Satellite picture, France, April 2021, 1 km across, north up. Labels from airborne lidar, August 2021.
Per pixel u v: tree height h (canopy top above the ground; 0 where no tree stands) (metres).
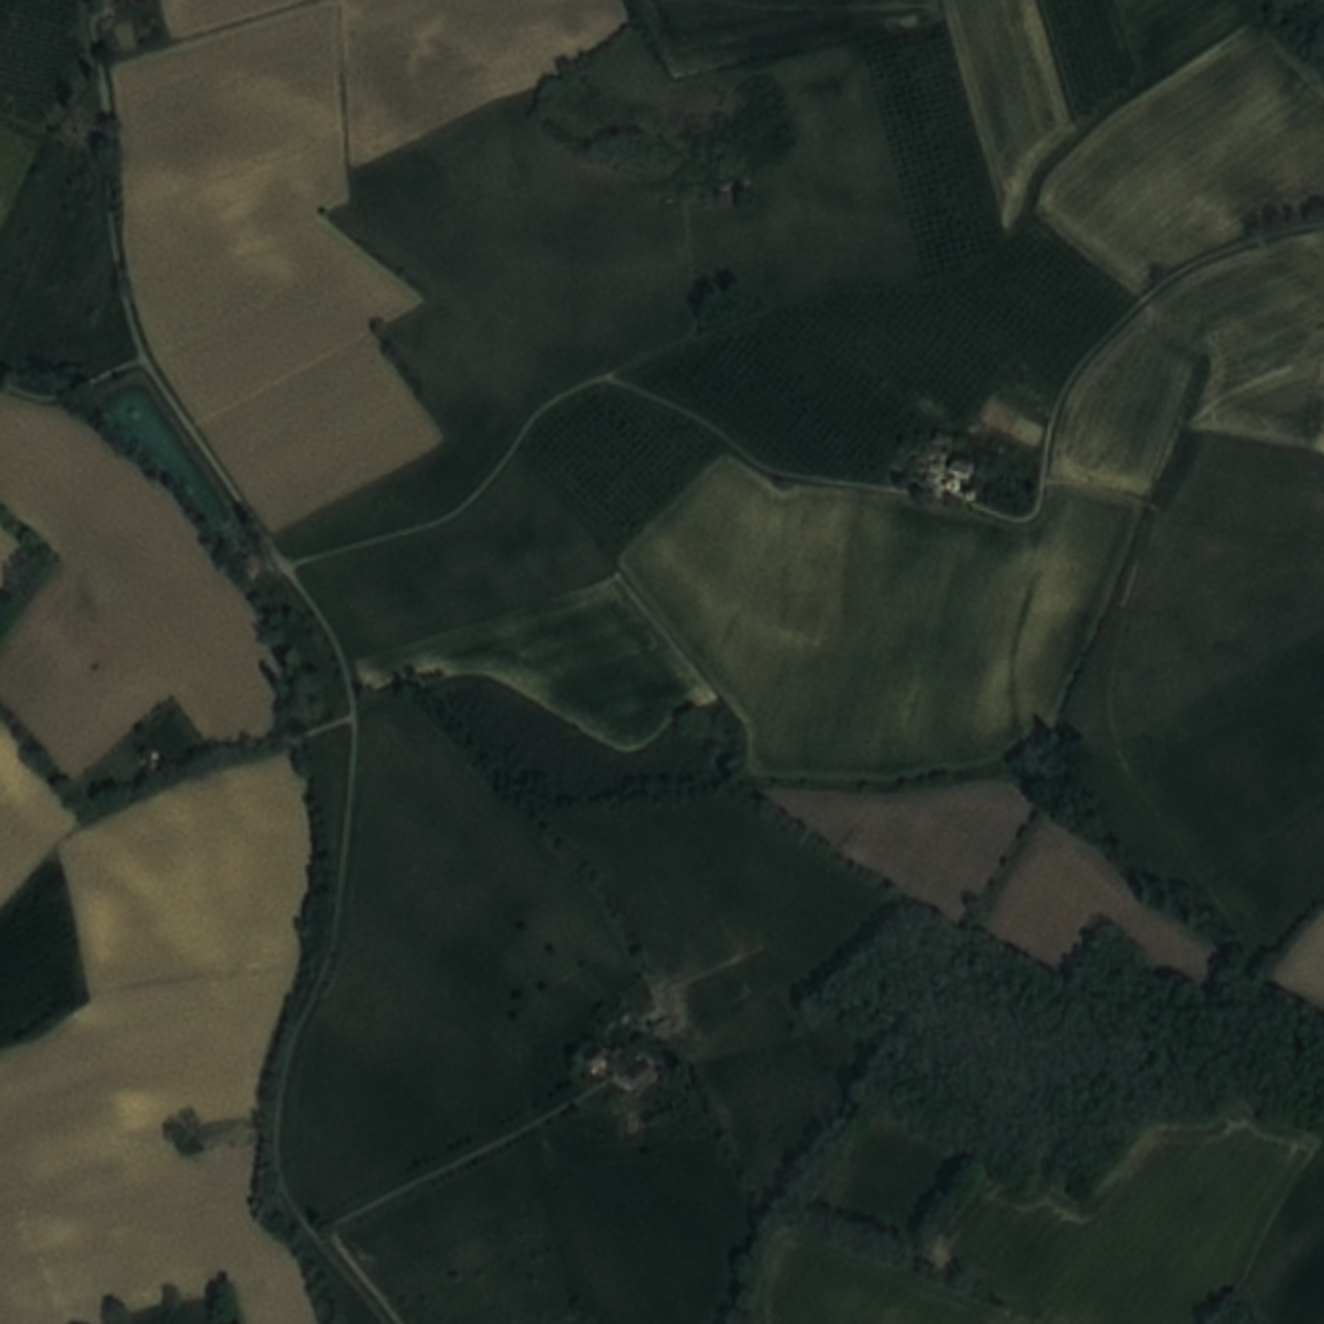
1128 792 0
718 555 0
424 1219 0
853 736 0
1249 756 0
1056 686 0
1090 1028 20
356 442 0
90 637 0
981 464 8
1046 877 0
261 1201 14
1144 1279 0
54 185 0
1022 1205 0
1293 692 0
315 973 8
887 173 0
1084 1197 13
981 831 0
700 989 0
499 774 12
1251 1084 22
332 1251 0
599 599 0
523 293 0
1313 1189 0
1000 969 13
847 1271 0
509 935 0
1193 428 0
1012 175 0
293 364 0
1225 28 0
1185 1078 26
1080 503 0
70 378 8
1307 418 0
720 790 14
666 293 0
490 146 0
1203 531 0
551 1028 0
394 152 0
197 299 0
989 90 0
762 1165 0
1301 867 0
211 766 20
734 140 6
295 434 0
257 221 0
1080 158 0
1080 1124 15
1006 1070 17
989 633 0
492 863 0
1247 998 25
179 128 0
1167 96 0
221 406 0
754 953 0
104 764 0
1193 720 0
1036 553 0
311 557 0
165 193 0
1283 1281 0
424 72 0
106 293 0
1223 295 0
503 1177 0
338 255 0
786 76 0
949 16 0
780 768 0
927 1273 15
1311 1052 18
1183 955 0
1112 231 0
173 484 12
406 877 0
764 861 0
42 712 0
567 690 0
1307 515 0
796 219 0
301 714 27
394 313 0
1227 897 0
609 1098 6
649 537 0
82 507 0
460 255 0
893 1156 0
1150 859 0
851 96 0
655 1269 0
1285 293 0
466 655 0
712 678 0
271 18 0
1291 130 0
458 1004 0
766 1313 0
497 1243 0
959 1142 22
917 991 19
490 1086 0
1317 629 0
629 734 0
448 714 13
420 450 0
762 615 0
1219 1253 0
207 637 0
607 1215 0
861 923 0
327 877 13
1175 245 0
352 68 0
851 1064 0
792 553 0
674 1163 0
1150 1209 0
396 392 0
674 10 0
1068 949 0
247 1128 0
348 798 0
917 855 0
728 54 0
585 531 0
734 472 0
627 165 15
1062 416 0
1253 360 0
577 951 0
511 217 0
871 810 0
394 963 0
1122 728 0
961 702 0
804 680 0
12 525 10
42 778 10
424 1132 0
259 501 0
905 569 0
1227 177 0
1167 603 0
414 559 0
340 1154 0
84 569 0
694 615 0
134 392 0
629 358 0
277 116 0
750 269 0
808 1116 0
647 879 0
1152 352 0
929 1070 21
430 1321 0
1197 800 0
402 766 0
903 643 0
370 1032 0
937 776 9
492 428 0
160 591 0
